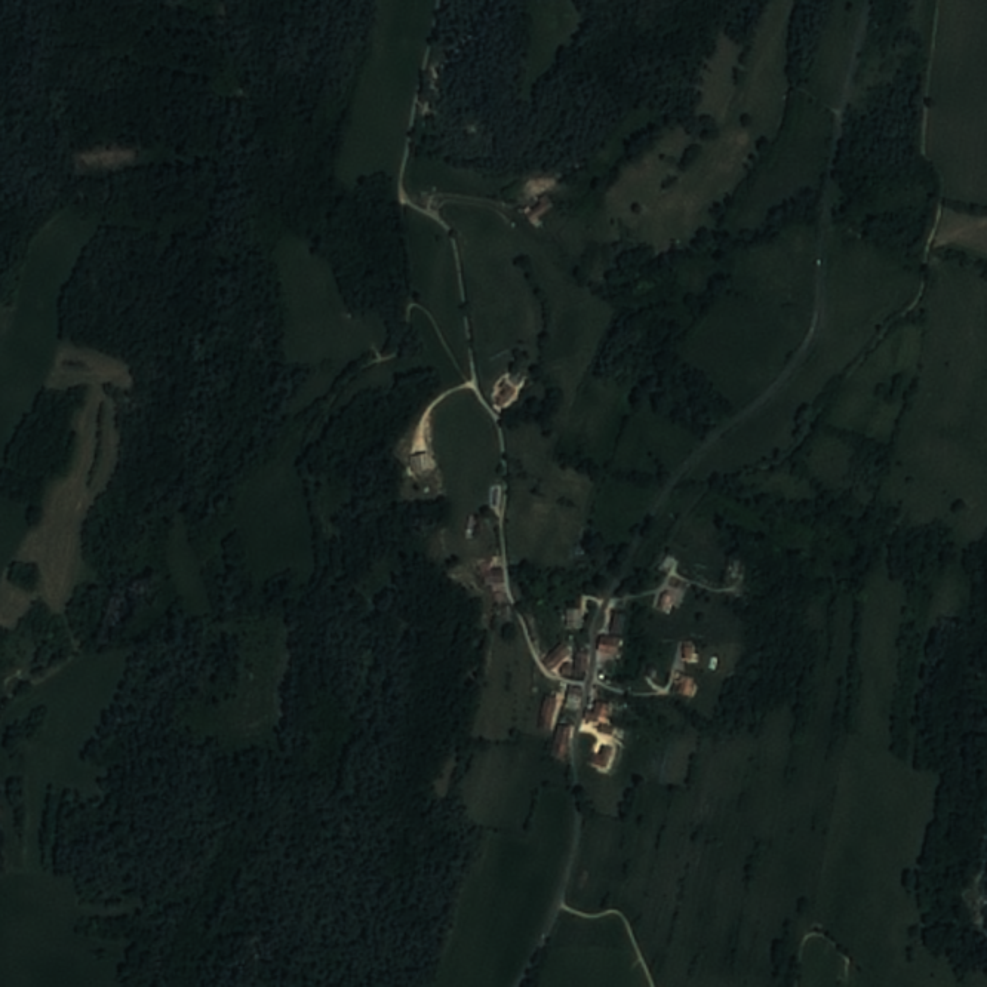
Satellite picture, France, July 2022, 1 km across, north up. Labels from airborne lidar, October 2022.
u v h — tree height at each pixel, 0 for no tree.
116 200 17
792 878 0
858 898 0
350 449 15
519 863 0
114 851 13
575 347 0
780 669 12
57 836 10
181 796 22
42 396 10
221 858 9
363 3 19
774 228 15
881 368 0
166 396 19
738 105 0
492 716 0
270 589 7
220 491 17
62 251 0
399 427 8
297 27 16
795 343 0
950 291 0
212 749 14
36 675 11
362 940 7
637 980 0
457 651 16
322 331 0
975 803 25
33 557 0
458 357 0
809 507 18
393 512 9
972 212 8
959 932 21
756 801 0
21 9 17
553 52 0
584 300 0
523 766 0
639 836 0
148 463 20
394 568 0
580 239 0
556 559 0
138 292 14
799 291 0
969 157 0
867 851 0
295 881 21
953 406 0
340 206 10
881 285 0
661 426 0
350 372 11
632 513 0
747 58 13
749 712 10
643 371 19
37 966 0
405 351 19
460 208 0
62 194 14
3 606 0
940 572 7
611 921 0
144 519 8
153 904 15
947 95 0
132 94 15
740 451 0
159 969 13
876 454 11
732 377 0
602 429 0
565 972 0
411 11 0
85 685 0
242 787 19
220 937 11
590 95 23
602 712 0
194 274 17
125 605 20
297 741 19
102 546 11
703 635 0
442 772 6
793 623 11
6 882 0
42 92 18
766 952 0
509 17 13
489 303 0
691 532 0
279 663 0
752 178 6
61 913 0
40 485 12
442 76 12
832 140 6
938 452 0
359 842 20
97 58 11
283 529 0
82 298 11
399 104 0
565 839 0
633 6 11
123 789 12
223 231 25
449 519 10
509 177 12
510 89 19
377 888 14
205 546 7
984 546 10
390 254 8
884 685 0
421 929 17
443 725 16
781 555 21
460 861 21
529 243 0
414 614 16
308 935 25
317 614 17
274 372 9
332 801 19
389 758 23
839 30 0
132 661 12
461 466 0
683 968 0
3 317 0
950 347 0
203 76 6
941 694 27
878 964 0
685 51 14
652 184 0
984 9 0
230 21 10
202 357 19
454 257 0
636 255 14
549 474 0
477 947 0
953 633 14
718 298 8
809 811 0
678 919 8
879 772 0
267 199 6
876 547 7
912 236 12
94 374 0
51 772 0
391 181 9
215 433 13
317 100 18
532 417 16
